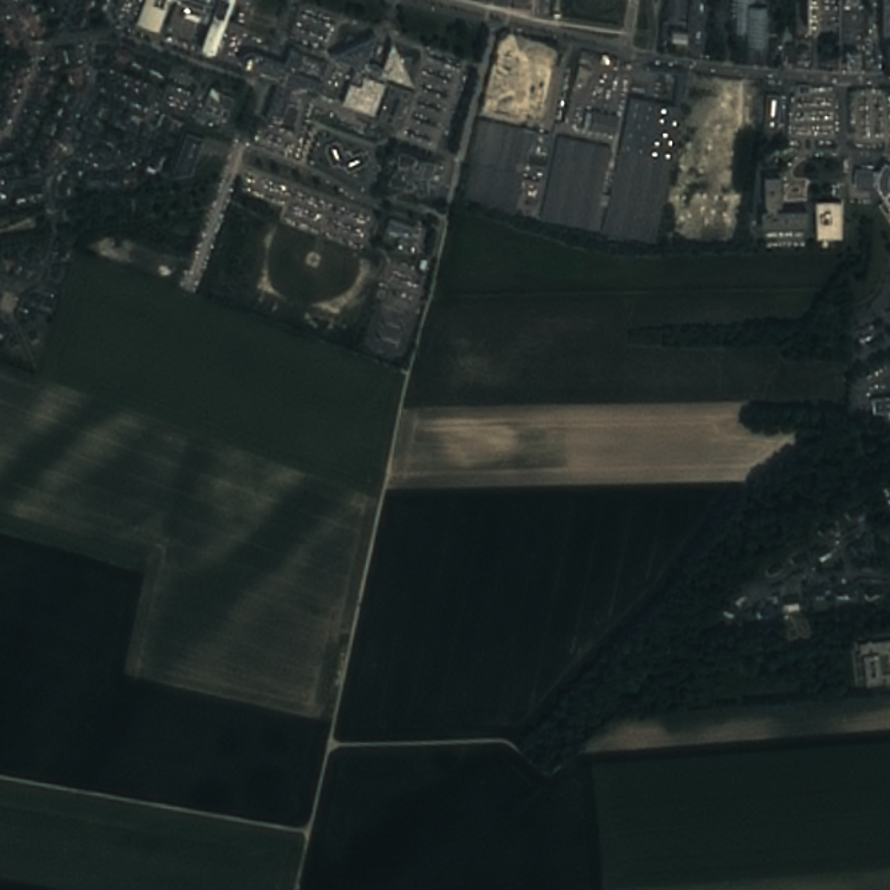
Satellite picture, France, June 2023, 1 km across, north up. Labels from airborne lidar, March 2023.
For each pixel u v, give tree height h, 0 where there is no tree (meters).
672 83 0
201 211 8
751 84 0
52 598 0
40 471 0
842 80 0
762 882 0
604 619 0
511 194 0
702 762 0
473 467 0
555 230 7
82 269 0
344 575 0
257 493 0
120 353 0
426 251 8
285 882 0
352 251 0
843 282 10
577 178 0
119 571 0
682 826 0
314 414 0
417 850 0
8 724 0
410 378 0
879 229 0
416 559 0
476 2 0
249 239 0
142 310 0
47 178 0
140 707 0
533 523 0
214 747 0
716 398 0
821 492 26
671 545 0
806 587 8
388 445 0
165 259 0
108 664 0
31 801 0
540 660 0
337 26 0
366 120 0
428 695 0
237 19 0
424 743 0
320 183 10
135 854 0
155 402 0
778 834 0
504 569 0
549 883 0
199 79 7
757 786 0
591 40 0
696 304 0
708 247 7
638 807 0
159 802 0
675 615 24
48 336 0
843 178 0
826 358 11
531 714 0
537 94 0
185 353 0
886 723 0
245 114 8
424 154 6
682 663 21
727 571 21
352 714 0
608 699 21
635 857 0
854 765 0
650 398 0
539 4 0
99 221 9
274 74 0
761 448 0
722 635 18
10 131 0
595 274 0
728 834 0
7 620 0
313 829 0
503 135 0
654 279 0
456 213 8
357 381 0
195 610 0
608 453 0
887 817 0
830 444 13
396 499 0
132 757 0
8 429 0
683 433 0
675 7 0
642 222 0
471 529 0
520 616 0
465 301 0
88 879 0
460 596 0
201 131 0
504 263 0
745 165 0
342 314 0
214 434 0
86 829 0
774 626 12
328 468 0
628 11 0
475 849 0
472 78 9
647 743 0
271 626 0
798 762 0
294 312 0
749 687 0
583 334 0
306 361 0
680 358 0
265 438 0
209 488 0
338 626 0
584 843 0
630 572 0
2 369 0
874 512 7
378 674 0
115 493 0
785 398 0
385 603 0
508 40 0
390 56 0
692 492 0
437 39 10
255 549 0
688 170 0
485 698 0
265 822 0
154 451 0
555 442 0
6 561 0
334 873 0
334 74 0
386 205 10
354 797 0
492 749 0
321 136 6
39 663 0
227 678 0
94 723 0
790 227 0
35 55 0
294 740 0
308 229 0
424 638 0
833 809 0
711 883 0
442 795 0
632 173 0
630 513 0
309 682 0
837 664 13
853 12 0
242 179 7
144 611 0
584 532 0
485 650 0
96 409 0
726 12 0
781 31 8
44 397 0
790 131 0
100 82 7
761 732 0
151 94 0
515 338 0
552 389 0
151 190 9
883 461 19
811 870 0
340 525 0
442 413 0
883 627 13
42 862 0
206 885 0
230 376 0
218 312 0
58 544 0
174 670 0
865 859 0
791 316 0
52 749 0
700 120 0
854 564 5
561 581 0
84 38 0
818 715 0
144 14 0
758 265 0
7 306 0
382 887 0
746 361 0
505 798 0
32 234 10
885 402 0
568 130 0
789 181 0
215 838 0
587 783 0
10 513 0
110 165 0
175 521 0
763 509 28
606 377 0
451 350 0
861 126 0
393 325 0
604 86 0
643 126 0
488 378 0
